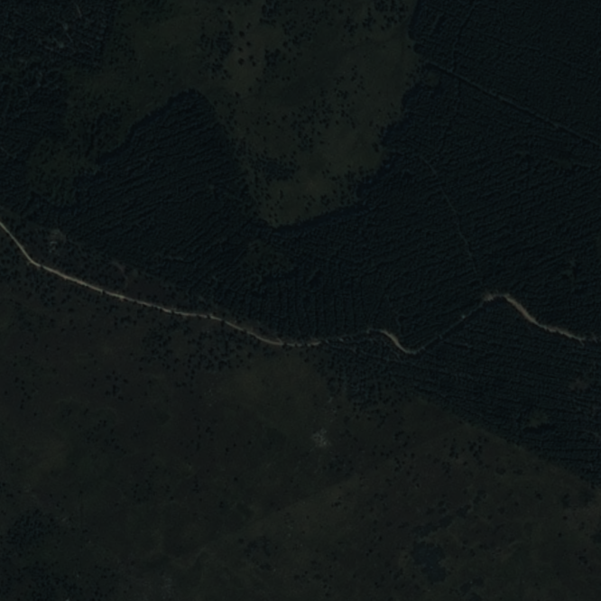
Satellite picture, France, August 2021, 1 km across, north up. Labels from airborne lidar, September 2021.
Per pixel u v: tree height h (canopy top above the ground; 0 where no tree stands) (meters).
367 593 0
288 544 0
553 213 16
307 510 0
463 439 0
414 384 13
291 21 6
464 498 0
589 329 22
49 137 14
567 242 18
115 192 20
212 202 22
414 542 0
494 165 22
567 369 17
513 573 0
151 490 6
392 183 14
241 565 0
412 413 0
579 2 16
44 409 0
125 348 0
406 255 12
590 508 0
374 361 12
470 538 0
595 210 21
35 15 13
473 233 18
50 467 0
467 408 18
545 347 18
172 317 6
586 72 20
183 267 11
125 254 12
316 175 0
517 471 0
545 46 18
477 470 0
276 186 0
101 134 10
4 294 0
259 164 6
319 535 0
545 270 19
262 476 0
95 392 0
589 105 21
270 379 0
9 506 0
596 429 14
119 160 19
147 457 0
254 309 16
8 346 0
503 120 19
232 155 20
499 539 0
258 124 7
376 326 13
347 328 14
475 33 16
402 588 0
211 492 0
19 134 17
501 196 22
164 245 13
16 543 8
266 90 0
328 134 0
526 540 0
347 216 21
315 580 0
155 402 0
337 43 0
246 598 0
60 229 14
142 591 0
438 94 21
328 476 0
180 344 0
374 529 0
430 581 0
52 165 0
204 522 0
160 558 0
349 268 16
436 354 13
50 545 0
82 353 0
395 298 12
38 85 9
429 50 21
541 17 16
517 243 18
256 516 0
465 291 18
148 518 0
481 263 21
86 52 11
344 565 0
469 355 20
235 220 22
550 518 0
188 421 0
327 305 16
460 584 0
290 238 15
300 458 0
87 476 0
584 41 18
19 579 6
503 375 17
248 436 0
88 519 0
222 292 14
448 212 20
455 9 22
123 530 0
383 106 0
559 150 16
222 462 0
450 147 19
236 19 0
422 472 0
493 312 17
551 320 21
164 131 18
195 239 12
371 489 0
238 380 0
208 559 0
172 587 0
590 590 0
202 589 0
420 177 21
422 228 19
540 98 19
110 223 16
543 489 0
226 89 0
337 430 0
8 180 17
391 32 0
